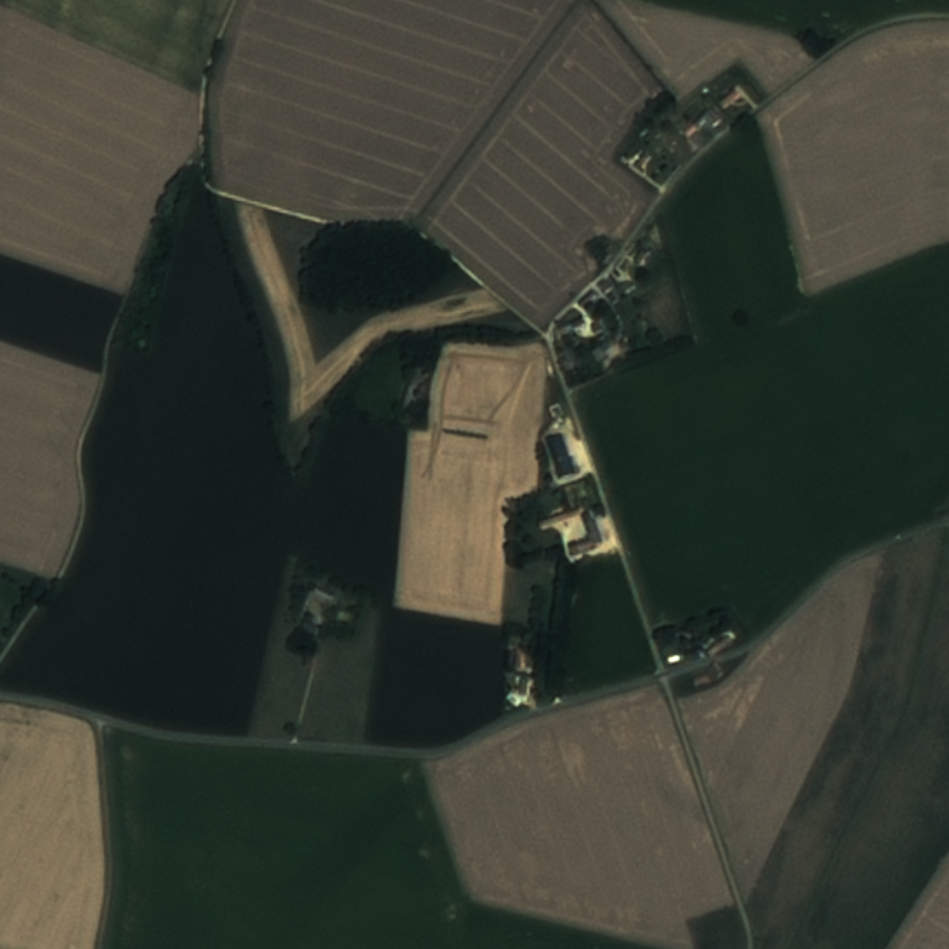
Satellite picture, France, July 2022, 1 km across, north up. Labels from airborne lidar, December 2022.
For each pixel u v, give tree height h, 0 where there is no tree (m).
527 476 0
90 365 0
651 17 0
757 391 0
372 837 0
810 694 0
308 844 0
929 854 0
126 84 0
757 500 0
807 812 0
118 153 0
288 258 0
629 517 0
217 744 0
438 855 0
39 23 0
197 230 0
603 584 0
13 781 0
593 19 0
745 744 0
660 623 0
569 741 0
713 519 0
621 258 0
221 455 0
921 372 0
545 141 0
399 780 0
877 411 0
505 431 0
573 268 0
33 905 0
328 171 0
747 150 0
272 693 0
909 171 0
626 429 0
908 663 0
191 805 0
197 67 0
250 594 0
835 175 0
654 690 0
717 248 0
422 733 0
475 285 0
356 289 19
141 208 0
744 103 0
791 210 0
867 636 0
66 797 0
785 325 0
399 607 0
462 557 0
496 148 0
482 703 0
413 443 0
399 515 0
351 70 0
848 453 0
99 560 0
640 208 0
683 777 0
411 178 0
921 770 0
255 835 0
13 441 0
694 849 0
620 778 0
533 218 0
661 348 10
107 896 0
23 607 9
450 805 0
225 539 0
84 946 0
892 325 0
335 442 0
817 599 0
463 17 0
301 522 0
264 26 0
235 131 0
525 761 0
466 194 0
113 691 0
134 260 0
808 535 0
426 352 13
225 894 0
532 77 0
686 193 0
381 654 0
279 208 0
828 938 0
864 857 0
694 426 0
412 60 0
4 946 0
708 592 0
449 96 0
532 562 11
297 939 0
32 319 0
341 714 0
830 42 7
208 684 0
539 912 0
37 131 0
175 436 0
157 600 0
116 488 0
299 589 9
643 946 0
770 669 0
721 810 0
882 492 0
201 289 0
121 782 0
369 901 0
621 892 0
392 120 0
